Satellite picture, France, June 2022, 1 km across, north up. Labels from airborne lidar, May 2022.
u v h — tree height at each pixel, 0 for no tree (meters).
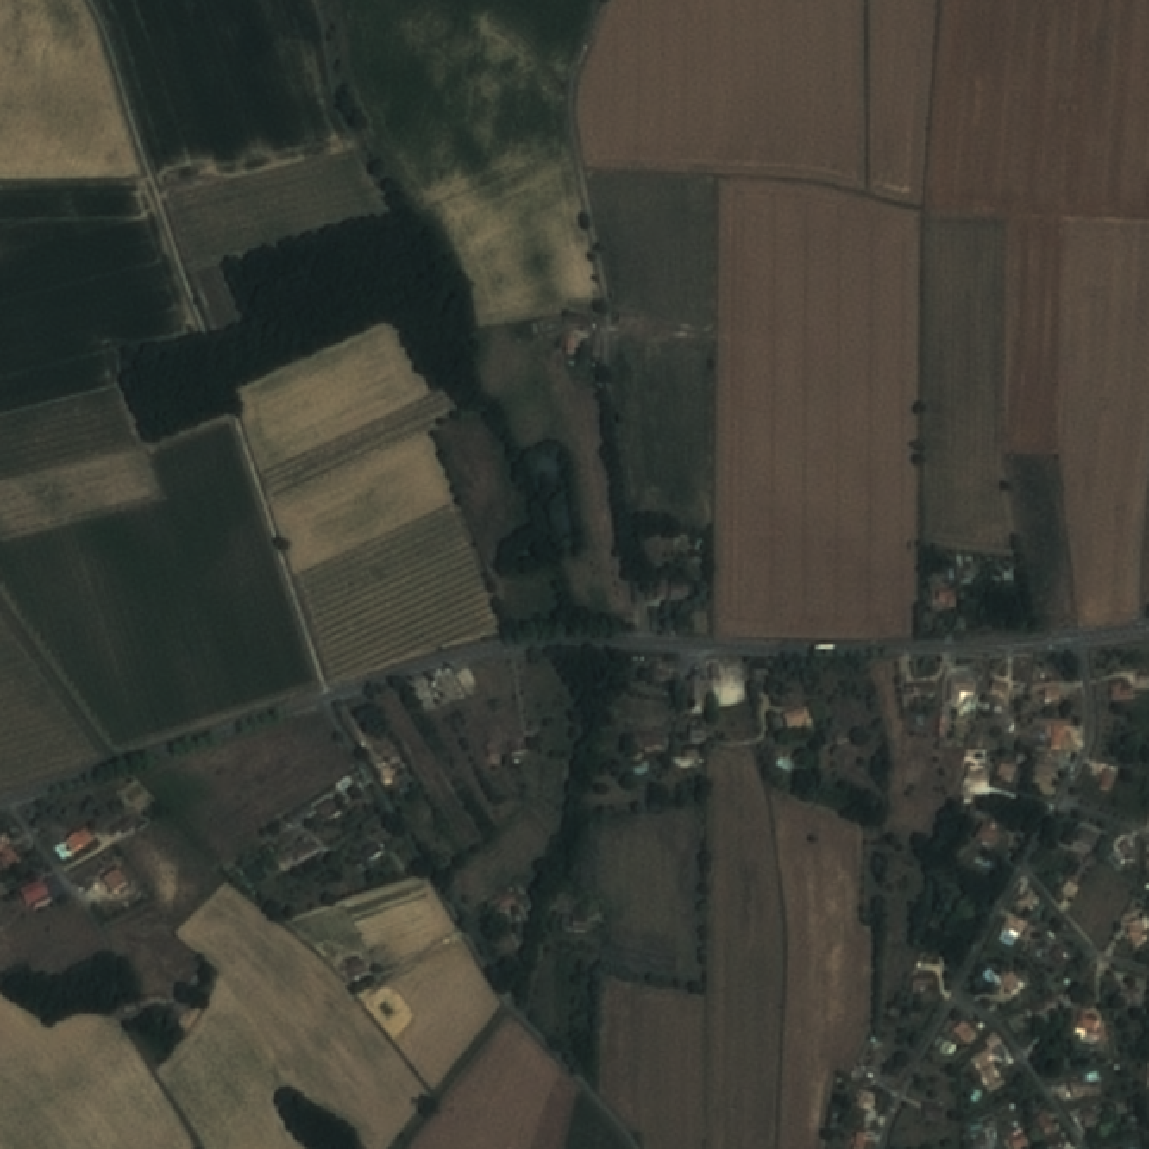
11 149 0
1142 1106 8
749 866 0
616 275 0
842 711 0
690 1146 0
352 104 21
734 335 0
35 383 0
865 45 0
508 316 0
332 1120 12
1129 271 0
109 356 0
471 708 0
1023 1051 0
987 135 0
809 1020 0
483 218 0
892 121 0
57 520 0
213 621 0
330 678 0
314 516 0
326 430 0
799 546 0
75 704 0
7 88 0
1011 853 10
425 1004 0
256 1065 0
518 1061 0
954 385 0
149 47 0
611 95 0
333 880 6
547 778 0
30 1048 0
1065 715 11
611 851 0
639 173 0
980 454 0
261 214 0
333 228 14
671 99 0
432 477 0
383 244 17
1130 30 0
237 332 11
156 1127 0
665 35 0
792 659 9
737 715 0
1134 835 0
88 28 0
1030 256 0
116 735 0
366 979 9
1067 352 0
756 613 0
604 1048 0
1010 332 0
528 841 0
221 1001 0
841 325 0
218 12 0
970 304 0
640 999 0
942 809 9
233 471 0
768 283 0
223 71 0
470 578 0
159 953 0
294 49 0
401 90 0
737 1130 0
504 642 12
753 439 0
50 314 0
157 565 0
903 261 0
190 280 0
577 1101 0
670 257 0
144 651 0
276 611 0
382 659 0
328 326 14
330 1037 0
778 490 0
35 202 0
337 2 0
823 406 0
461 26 0
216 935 0
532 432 0
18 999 14
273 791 0
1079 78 0
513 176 0
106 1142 0
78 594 0
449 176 0
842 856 0
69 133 0
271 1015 0
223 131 0
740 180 0
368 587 0
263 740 0
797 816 0
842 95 0
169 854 0
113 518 0
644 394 0
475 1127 0
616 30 0
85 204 0
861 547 0
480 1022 0
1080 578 0
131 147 0
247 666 0
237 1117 0
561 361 0
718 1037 0
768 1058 0
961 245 0
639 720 0
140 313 0
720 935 0
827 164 0
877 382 0
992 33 0
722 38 0
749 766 0
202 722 0
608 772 14
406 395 0
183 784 0
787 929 0
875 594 0
